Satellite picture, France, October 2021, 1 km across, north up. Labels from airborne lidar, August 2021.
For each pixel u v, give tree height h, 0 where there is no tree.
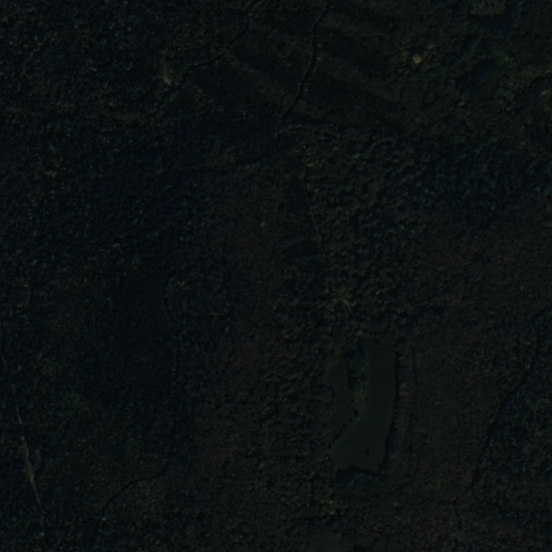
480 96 28
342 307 23
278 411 23
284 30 10
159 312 16
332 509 25
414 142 20
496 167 23
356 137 29
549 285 15
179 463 19
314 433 26
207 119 20
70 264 13
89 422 16
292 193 16
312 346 23
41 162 13
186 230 11
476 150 24
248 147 19
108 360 19
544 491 12
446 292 21
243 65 20
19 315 18
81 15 23
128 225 23
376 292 28
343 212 29
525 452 22
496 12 0
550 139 17
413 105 26
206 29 14
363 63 18
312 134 26
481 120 17
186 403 19
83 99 22
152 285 17
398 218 22
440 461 16
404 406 18
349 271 26
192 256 17
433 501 26
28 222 24
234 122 20
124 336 20
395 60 27
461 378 11
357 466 0
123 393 17
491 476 15
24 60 24
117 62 21
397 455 22
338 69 20
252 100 20
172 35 17
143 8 12
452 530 9
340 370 0
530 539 16
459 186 20
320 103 16
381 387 0
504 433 23
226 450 19
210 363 19
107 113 18
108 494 11
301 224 15
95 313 18
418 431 19
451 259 14
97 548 19
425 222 19
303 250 14
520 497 10
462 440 15
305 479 26
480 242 12
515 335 15
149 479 9
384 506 31
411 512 28
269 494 24
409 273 21
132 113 22
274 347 23
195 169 19
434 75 31
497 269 7
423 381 19
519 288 12
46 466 15
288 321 24
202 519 21
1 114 20
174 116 20
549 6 25
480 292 9
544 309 12
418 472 18
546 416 27
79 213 25
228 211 15
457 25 24
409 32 24
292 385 27
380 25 17
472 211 16
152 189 27
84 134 27
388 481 19
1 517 12
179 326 15
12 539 22
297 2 14
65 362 20
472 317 9
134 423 18
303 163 17
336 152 25
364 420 0
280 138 19
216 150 22
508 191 20
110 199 27
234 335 21
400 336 16
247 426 22
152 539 20
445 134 23
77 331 13
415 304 33
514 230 13
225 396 22
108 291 18
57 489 14
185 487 15
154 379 18
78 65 22
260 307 19
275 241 9
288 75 18
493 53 26
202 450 22
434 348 21
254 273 20
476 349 15
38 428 16
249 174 15
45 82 23
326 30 17
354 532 22
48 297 18
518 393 19
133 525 11
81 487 13
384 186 28
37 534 22
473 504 21
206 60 16
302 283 12
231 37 15
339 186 29
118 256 21
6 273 21
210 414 21
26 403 10
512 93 9
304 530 21
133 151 13
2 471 27
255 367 20
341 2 16
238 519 20
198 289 20
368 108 11
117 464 14
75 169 24
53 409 16
